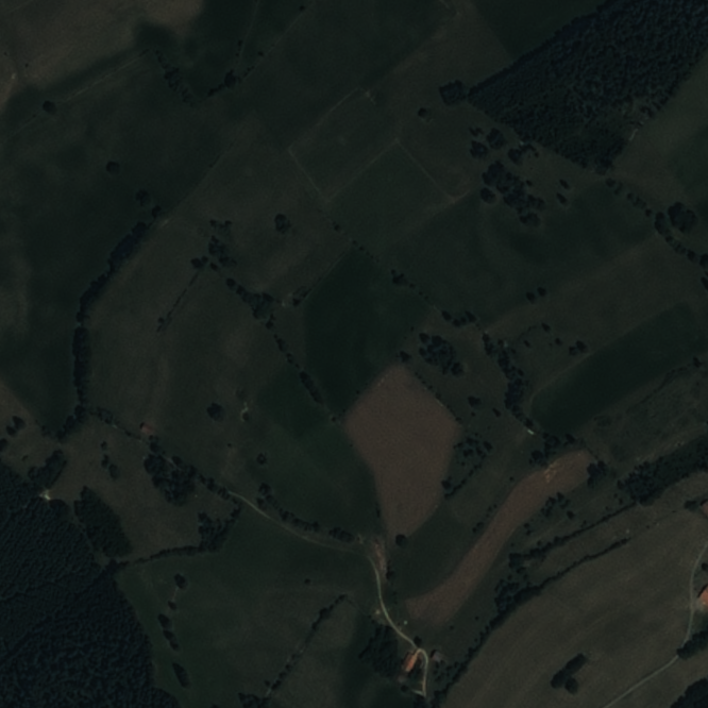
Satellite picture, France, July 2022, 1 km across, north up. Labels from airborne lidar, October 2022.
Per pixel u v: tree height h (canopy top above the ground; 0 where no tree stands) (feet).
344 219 0
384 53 0
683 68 80
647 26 86
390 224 0
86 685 101
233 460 0
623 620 0
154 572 0
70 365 0
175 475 22
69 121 0
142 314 0
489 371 0
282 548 0
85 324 65
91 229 0
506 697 0
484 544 0
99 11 0
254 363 0
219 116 0
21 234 0
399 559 0
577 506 0
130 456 0
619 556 0
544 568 0
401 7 0
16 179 0
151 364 0
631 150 0
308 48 0
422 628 0
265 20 0
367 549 0
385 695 0
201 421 0
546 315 0
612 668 0
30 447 0
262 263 0
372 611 0
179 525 0
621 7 57
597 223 0
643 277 0
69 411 0
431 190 0
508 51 0
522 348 0
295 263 0
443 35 0
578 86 87
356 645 0
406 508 0
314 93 0
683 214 77
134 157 0
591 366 0
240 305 0
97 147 0
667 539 0
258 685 0
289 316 0
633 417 0
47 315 0
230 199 0
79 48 0
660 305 0
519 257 0
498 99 53
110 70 0
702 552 0
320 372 0
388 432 0
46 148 0
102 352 0
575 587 0
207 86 0
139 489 0
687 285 0
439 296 0
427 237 0
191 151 0
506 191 74
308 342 0
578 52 96
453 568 0
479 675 0
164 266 0
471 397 0
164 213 58
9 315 0
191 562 0
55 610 56
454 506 0
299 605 0
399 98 0
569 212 0
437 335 0
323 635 0
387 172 0
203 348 0
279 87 0
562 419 0
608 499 0
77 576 44
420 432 0
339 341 0
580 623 0
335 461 0
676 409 0
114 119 0
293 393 0
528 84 57
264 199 0
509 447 0
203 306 0
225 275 0
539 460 70
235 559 0
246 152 0
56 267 0
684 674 0
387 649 41
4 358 0
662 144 0
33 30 0
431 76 0
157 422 0
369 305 0
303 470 0
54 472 62
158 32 0
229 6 0
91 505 47
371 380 0
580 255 0
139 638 75
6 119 0
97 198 0
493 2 0
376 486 0
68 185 0
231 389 0
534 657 0
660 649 0
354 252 0
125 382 0
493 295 0
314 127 0
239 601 0
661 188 0
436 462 0
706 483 0
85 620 78
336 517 0
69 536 49
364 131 0
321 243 0
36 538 58
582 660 40
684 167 0
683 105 0
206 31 0
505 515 0
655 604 0
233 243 0
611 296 0
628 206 0
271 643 0
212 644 0
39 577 50
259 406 0
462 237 0
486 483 0
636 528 0
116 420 20
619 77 73
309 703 0
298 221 0
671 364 0
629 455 0
